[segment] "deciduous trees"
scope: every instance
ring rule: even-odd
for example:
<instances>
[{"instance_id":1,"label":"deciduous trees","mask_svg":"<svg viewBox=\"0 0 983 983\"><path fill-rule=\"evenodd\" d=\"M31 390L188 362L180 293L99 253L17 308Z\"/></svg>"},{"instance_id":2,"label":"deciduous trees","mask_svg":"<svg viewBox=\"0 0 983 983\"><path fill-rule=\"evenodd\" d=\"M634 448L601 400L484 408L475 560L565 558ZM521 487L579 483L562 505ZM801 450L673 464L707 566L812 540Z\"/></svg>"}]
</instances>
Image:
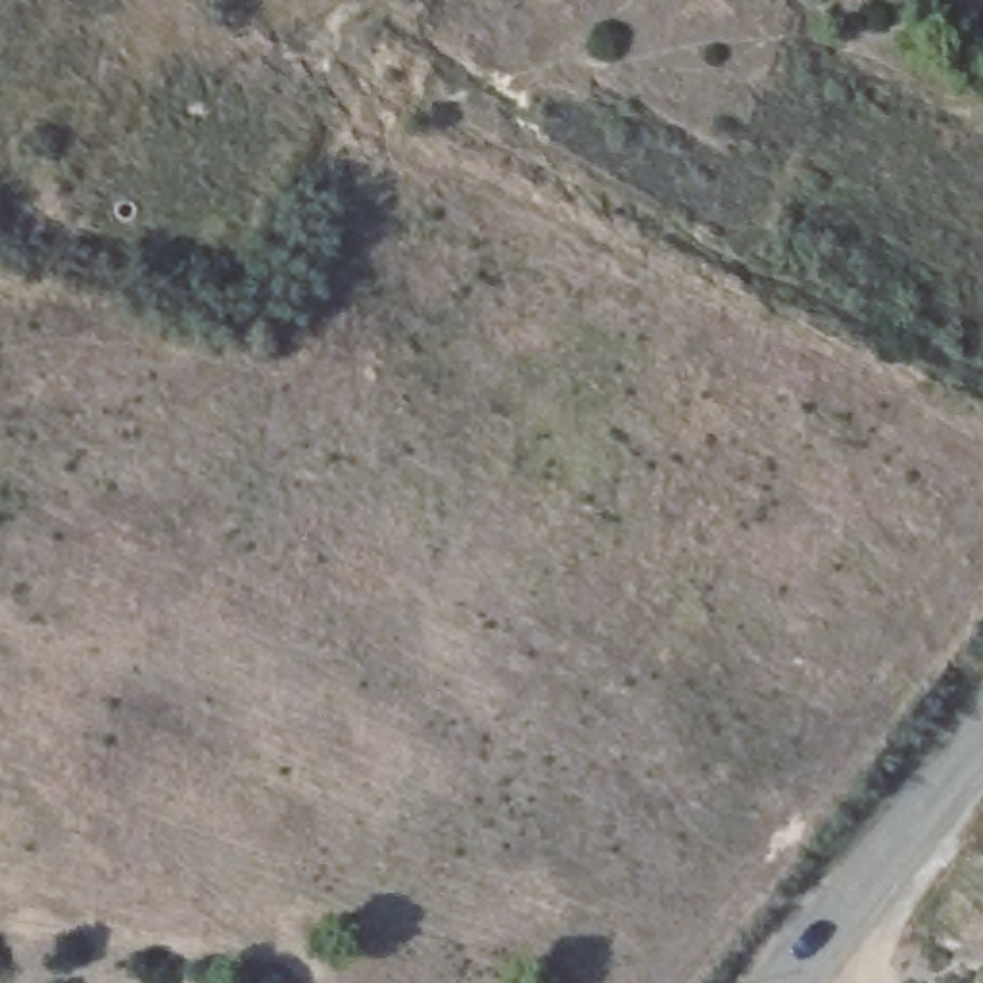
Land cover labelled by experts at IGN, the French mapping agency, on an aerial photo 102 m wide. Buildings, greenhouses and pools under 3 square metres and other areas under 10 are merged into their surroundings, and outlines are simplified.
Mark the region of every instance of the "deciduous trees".
<instances>
[{"instance_id":1,"label":"deciduous trees","mask_svg":"<svg viewBox=\"0 0 983 983\"><path fill-rule=\"evenodd\" d=\"M960 384L964 396L983 403L983 349L979 315L964 315L960 334L948 330L937 288L918 273L918 265L895 261L883 238L860 238L856 227L849 227L841 204L791 204L787 219L776 230L760 227L749 250L733 250L726 273L737 276L764 303L768 319L783 319L791 307L799 307L814 319L818 330L849 334L864 342L879 361L922 365L929 380L948 376Z\"/></svg>"},{"instance_id":2,"label":"deciduous trees","mask_svg":"<svg viewBox=\"0 0 983 983\"><path fill-rule=\"evenodd\" d=\"M273 945L253 945L238 956L184 956L180 983L311 983L307 968L276 952Z\"/></svg>"},{"instance_id":3,"label":"deciduous trees","mask_svg":"<svg viewBox=\"0 0 983 983\"><path fill-rule=\"evenodd\" d=\"M23 280L50 276L84 292L123 296L134 315L161 315L165 338L177 338L184 346L204 342L207 353L227 353L230 346L238 346L250 357L280 361L300 349L303 338L323 334L323 326L353 300L384 296L384 280L372 265L372 246L403 234L403 219L396 211L396 177L372 173L369 165L349 161L346 154L330 154L330 127L323 119L311 127L307 150L292 157L284 188L276 188L276 196L269 196L265 204L265 242L238 253L238 265L246 269L242 284L215 288L204 276L192 276L180 288L157 273L146 273L138 227L123 227L119 238L61 230L54 219L38 215L35 192L27 184L12 180L12 173L0 173L0 269Z\"/></svg>"},{"instance_id":4,"label":"deciduous trees","mask_svg":"<svg viewBox=\"0 0 983 983\"><path fill-rule=\"evenodd\" d=\"M311 952L330 968L361 960L353 933L342 929L342 918L326 914L307 933Z\"/></svg>"},{"instance_id":5,"label":"deciduous trees","mask_svg":"<svg viewBox=\"0 0 983 983\"><path fill-rule=\"evenodd\" d=\"M538 983L541 956L515 952L499 983Z\"/></svg>"},{"instance_id":6,"label":"deciduous trees","mask_svg":"<svg viewBox=\"0 0 983 983\"><path fill-rule=\"evenodd\" d=\"M891 0L899 19L887 27L887 35L899 42L899 58L906 69L899 81L902 96L914 96L925 108L945 111L945 96L952 96L956 88L975 96L983 92L983 54L975 54L971 65L956 73L948 65L948 54L960 42L956 31L941 12L918 19L918 0Z\"/></svg>"}]
</instances>

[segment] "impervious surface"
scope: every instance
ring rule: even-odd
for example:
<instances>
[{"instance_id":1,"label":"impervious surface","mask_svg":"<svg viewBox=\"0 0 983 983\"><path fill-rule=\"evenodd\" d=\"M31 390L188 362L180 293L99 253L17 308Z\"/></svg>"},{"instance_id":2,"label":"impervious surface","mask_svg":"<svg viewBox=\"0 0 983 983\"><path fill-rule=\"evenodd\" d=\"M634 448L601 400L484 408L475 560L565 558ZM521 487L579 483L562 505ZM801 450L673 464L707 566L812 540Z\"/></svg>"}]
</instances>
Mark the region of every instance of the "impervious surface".
<instances>
[{"instance_id":1,"label":"impervious surface","mask_svg":"<svg viewBox=\"0 0 983 983\"><path fill-rule=\"evenodd\" d=\"M879 929L910 895L918 868L941 849L941 841L960 841L983 803L983 687L975 695L975 710L960 718L948 745L918 768L918 776L868 822L860 841L822 875L822 883L799 899L799 910L764 941L753 968L737 983L837 983L845 964L868 941L868 933Z\"/></svg>"}]
</instances>

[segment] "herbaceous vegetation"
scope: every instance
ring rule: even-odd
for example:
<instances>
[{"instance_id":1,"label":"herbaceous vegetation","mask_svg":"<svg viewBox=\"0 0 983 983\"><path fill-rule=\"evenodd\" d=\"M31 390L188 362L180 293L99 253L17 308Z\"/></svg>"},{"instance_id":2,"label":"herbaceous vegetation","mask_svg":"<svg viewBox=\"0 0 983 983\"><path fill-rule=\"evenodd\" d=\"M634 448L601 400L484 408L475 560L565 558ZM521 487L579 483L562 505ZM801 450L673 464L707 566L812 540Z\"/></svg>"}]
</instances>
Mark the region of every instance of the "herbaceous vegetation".
<instances>
[{"instance_id":1,"label":"herbaceous vegetation","mask_svg":"<svg viewBox=\"0 0 983 983\"><path fill-rule=\"evenodd\" d=\"M841 0L829 12L833 27L849 38L841 54L879 81L899 81L906 69L899 58L899 42L887 35L887 27L899 19L891 0Z\"/></svg>"},{"instance_id":2,"label":"herbaceous vegetation","mask_svg":"<svg viewBox=\"0 0 983 983\"><path fill-rule=\"evenodd\" d=\"M772 69L772 50L783 42L787 0L261 0L261 12L246 31L230 31L223 27L219 0L0 0L0 173L12 173L12 180L27 184L35 192L38 215L54 219L61 230L119 238L123 227L138 227L146 273L157 273L180 288L192 276L204 276L215 288L242 284L246 269L238 265L238 253L265 242L265 204L269 196L276 196L276 188L284 188L292 157L307 150L311 127L323 119L330 127L330 154L346 154L349 161L369 165L372 173L396 177L396 211L403 219L403 234L372 246L372 265L384 280L384 296L353 300L323 326L323 334L303 338L300 349L280 361L250 357L238 346L230 346L227 353L207 353L204 342L184 346L177 338L165 338L161 315L134 315L123 296L84 292L50 276L23 280L0 269L0 983L142 983L138 975L131 975L134 952L169 948L184 956L238 956L253 945L273 945L276 952L307 968L311 983L499 983L515 952L541 956L538 983L737 983L753 968L764 941L799 910L799 899L822 883L822 875L860 841L868 822L918 776L918 768L948 745L960 718L975 710L975 695L983 687L983 403L964 396L960 384L948 376L929 380L922 365L879 361L864 342L849 334L818 330L814 319L799 307L791 307L783 319L768 319L764 303L737 276L726 273L733 250L726 238L714 238L707 227L683 219L680 211L653 204L641 188L618 184L611 169L587 165L568 146L553 142L541 127L541 104L557 96L580 104L587 100L591 81L599 81L618 96L645 100L645 108L660 123L687 131L699 146L718 154L726 150L726 134L714 131L714 119L753 115L756 96L764 92L760 84ZM311 952L307 933L326 914L342 918L342 929L353 933L361 960L330 968Z\"/></svg>"},{"instance_id":3,"label":"herbaceous vegetation","mask_svg":"<svg viewBox=\"0 0 983 983\"><path fill-rule=\"evenodd\" d=\"M960 42L948 54L948 65L956 73L971 65L975 54L983 54L983 0L918 0L918 19L941 12L956 31Z\"/></svg>"},{"instance_id":4,"label":"herbaceous vegetation","mask_svg":"<svg viewBox=\"0 0 983 983\"><path fill-rule=\"evenodd\" d=\"M952 899L945 899L933 883L914 906L906 933L895 948L895 968L902 983L983 983L983 918L975 914L968 895L952 891Z\"/></svg>"},{"instance_id":5,"label":"herbaceous vegetation","mask_svg":"<svg viewBox=\"0 0 983 983\"><path fill-rule=\"evenodd\" d=\"M945 96L945 111L971 123L971 131L983 131L983 92L975 96L956 88L952 96Z\"/></svg>"}]
</instances>

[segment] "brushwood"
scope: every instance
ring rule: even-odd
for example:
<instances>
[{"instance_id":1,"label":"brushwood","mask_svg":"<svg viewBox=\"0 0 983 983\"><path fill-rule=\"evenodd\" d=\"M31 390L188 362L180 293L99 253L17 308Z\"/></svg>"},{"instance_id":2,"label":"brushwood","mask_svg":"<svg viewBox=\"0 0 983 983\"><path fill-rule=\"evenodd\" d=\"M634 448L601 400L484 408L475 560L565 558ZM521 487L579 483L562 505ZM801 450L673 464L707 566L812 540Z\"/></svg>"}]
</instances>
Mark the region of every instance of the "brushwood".
<instances>
[{"instance_id":1,"label":"brushwood","mask_svg":"<svg viewBox=\"0 0 983 983\"><path fill-rule=\"evenodd\" d=\"M714 238L726 238L733 250L749 250L760 227L776 230L787 219L791 204L841 204L849 227L856 227L860 238L883 238L895 261L918 265L918 273L937 288L948 330L960 334L964 315L979 315L983 349L983 131L971 131L971 123L945 111L925 108L914 96L902 96L899 81L879 81L841 54L849 38L833 27L829 12L841 0L787 0L783 42L772 50L772 69L760 84L764 92L756 96L753 115L714 119L714 131L726 134L726 150L718 154L699 146L687 131L660 123L645 108L645 100L618 96L599 81L591 81L587 100L580 104L557 96L541 104L541 127L553 142L568 146L587 165L611 169L618 184L641 188L653 204L680 211L683 219L707 227Z\"/></svg>"},{"instance_id":2,"label":"brushwood","mask_svg":"<svg viewBox=\"0 0 983 983\"><path fill-rule=\"evenodd\" d=\"M952 899L952 891L968 895L975 914L983 918L983 803L960 841L952 864L941 868L933 883L945 899Z\"/></svg>"},{"instance_id":3,"label":"brushwood","mask_svg":"<svg viewBox=\"0 0 983 983\"><path fill-rule=\"evenodd\" d=\"M131 975L138 975L142 983L180 983L184 956L169 948L134 952Z\"/></svg>"},{"instance_id":4,"label":"brushwood","mask_svg":"<svg viewBox=\"0 0 983 983\"><path fill-rule=\"evenodd\" d=\"M223 27L230 31L246 31L261 12L261 0L219 0Z\"/></svg>"}]
</instances>

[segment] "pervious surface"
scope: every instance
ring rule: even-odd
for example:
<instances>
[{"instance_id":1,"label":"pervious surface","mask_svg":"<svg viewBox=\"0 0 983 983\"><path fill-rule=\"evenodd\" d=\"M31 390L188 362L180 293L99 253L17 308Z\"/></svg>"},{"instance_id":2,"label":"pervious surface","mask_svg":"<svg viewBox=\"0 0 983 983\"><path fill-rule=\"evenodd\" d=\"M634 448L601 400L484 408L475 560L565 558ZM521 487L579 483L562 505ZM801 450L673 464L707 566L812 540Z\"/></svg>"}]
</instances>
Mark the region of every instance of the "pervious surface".
<instances>
[{"instance_id":1,"label":"pervious surface","mask_svg":"<svg viewBox=\"0 0 983 983\"><path fill-rule=\"evenodd\" d=\"M895 968L895 948L906 933L914 906L933 883L941 868L952 864L960 841L941 841L941 849L918 868L910 895L879 929L868 933L868 941L845 964L837 983L902 983Z\"/></svg>"}]
</instances>

